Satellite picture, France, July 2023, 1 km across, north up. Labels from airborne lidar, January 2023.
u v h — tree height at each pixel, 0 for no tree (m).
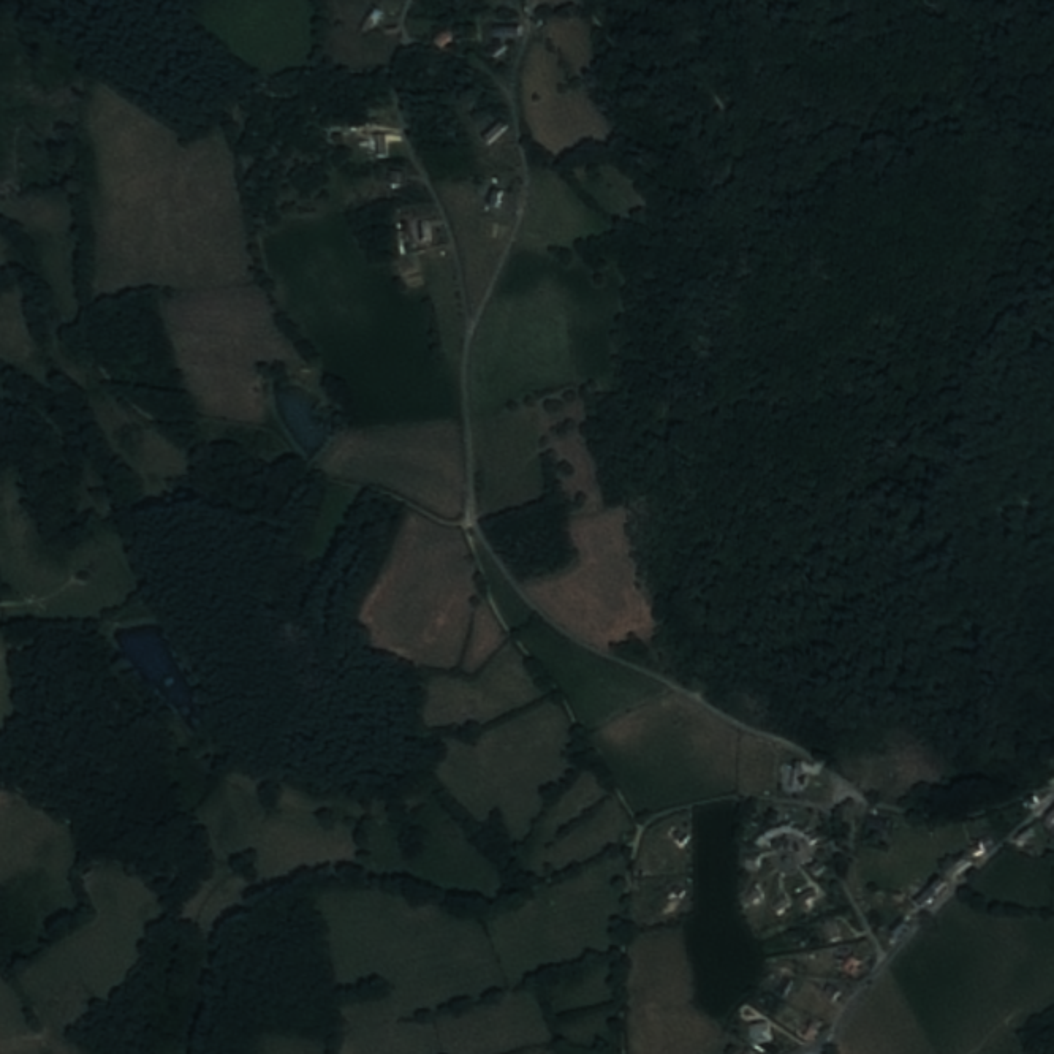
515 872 17
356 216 7
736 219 26
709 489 16
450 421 0
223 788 0
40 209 0
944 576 33
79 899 8
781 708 11
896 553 22
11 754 21
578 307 0
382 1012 0
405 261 0
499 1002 13
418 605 0
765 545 27
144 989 23
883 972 0
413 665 11
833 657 25
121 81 23
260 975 16
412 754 23
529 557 13
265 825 0
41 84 0
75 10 26
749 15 23
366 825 12
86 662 20
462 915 16
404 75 13
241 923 21
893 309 24
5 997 0
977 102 29
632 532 7
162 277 0
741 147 25
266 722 30
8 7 18
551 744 0
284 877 0
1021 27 32
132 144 0
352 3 0
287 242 0
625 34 24
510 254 0
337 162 10
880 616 22
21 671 18
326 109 11
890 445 25
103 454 25
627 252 10
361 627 21
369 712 28
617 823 0
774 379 28
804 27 31
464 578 0
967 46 33
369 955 0
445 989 0
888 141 33
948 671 29
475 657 0
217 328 0
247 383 0
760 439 21
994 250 28
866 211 21
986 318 29
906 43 27
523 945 0
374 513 18
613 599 0
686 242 15
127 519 26
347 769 29
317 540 0
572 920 0
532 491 0
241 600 32
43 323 16
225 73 23
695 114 21
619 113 11
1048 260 12
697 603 26
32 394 11
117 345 15
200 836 24
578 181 7
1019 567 21
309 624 17
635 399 17
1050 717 14
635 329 15
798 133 24
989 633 30
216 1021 23
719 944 0
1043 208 15
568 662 0
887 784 0
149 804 16
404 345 0
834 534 28
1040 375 23
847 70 26
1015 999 0
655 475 15
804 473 22
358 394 0
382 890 17
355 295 0
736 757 0
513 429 0
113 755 20
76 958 0
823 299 21
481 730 11
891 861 0
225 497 13
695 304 29
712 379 19
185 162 0
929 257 24
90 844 15
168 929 21
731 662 11
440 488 0
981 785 21
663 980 0
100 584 0
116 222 0
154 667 0
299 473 20
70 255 0
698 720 0
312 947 19
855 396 17
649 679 0
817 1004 0
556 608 0
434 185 0
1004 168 33
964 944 0
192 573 34
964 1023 0
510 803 0
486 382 0
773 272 19
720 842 0
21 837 0
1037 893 0
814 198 23
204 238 0
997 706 31
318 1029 12
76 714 19
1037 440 16
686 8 24
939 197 27
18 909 0
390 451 0
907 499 31
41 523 11
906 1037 0
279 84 12
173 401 16
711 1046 0
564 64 6
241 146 11
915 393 6
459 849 0
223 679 35
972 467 25
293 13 0
